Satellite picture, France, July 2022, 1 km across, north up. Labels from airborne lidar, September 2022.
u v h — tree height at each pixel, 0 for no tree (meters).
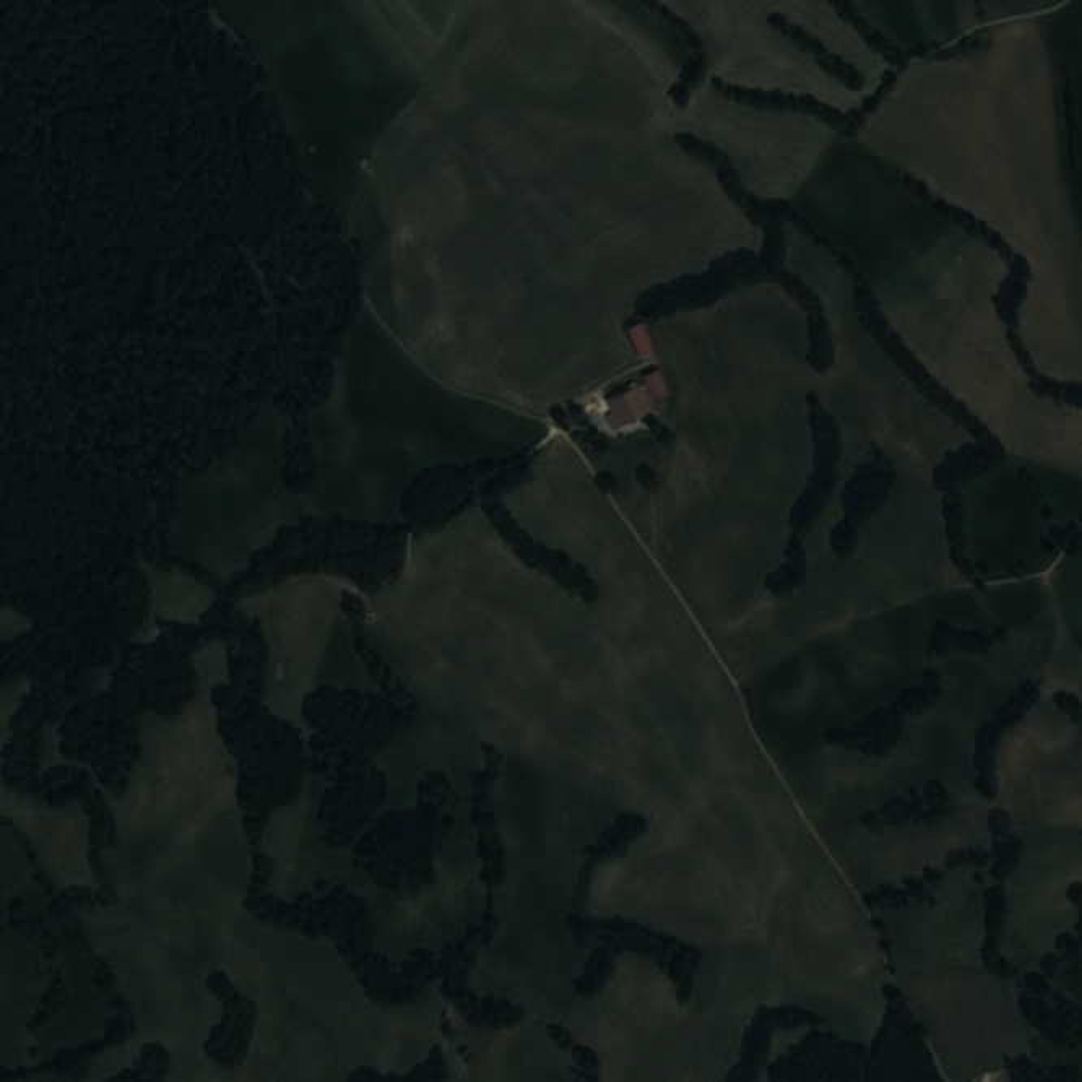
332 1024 0
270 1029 0
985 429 20
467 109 0
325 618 0
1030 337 0
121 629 8
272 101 14
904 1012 20
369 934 8
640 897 0
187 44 13
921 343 0
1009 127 0
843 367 0
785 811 0
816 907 0
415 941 0
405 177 0
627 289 0
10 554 13
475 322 0
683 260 0
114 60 29
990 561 0
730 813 0
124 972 0
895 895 17
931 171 0
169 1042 0
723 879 0
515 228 0
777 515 0
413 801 0
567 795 0
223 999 10
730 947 0
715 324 0
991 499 0
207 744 0
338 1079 0
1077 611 0
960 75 0
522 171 0
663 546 0
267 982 0
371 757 10
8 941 0
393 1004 10
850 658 0
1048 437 0
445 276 0
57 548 10
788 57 0
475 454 0
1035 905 0
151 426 11
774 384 0
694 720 0
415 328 0
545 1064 0
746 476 0
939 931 0
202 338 24
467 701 0
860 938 0
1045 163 0
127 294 20
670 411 0
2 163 30
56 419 17
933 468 0
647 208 0
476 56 0
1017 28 0
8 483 9
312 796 0
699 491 0
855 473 0
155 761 0
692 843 0
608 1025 0
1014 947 0
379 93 0
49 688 19
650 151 0
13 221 24
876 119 0
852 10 17
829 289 0
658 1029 0
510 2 0
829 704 0
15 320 29
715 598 0
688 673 0
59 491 8
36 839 0
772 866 0
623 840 21
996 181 0
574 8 0
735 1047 0
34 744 21
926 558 0
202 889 0
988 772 24
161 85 28
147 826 0
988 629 0
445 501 24
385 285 0
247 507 0
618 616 0
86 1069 16
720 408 0
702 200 0
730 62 0
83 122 17
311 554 19
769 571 0
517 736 0
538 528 0
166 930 0
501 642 0
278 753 26
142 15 29
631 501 0
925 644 0
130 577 17
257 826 17
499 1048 0
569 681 0
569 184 0
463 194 0
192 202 28
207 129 31
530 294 0
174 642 18
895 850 0
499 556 0
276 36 0
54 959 9
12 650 11
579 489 0
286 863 0
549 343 0
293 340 21
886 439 0
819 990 0
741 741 0
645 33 0
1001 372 0
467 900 0
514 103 0
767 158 0
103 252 24
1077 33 0
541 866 0
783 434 0
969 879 0
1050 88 0
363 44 0
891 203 0
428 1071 15
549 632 0
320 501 0
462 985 21
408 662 0
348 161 0
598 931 12
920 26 0
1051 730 0
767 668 0
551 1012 0
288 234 17
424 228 0
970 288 0
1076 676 0
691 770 0
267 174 29
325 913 15
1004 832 22
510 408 0
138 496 11
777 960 0
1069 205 0
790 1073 18
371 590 14
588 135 0
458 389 0
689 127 0
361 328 0
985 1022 0
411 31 0
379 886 6
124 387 10
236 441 25
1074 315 0
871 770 0
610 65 0
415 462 0
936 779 0
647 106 0
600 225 0
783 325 0
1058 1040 15
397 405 0
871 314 19
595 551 0
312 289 37
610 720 0
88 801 16
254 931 0
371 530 16
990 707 0
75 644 12
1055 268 0
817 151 0
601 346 0
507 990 0
